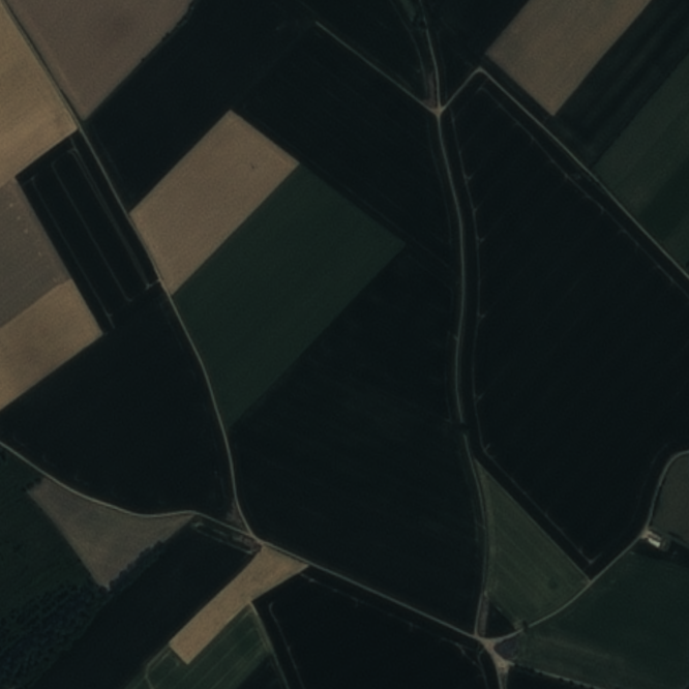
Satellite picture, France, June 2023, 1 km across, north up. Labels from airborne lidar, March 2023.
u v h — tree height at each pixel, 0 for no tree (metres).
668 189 0
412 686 0
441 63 0
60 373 0
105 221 0
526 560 0
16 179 0
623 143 0
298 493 0
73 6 0
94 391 0
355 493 0
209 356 0
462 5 0
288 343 0
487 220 0
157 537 0
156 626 0
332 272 0
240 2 0
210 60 0
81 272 0
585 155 0
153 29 0
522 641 0
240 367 0
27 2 0
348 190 0
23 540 0
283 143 0
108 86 0
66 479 0
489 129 0
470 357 0
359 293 0
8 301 0
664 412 0
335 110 0
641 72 0
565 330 0
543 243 0
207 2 0
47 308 0
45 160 0
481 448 0
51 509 0
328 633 0
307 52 0
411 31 0
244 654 0
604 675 0
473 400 0
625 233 0
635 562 0
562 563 0
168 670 0
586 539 0
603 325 0
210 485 0
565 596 0
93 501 0
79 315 0
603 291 0
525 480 0
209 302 0
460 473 0
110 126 0
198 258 0
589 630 0
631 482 0
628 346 0
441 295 0
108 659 0
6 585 0
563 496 0
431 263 0
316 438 0
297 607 0
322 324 0
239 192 0
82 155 0
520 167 0
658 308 0
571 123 0
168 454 0
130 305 0
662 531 0
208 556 0
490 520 0
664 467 0
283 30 0
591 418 0
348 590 0
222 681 0
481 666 0
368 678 0
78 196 0
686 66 0
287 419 0
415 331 0
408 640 0
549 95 0
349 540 0
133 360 0
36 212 0
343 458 0
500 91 0
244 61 0
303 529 0
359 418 0
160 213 0
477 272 0
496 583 0
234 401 0
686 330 0
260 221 0
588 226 0
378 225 0
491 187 0
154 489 0
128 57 0
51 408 0
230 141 0
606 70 0
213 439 0
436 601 0
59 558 0
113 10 0
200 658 0
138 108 0
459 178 0
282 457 0
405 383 0
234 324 0
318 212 0
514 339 0
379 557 0
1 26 0
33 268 0
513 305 0
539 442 0
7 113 0
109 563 0
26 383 0
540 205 0
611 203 0
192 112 0
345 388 0
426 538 0
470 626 0
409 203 0
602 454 0
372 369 0
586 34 0
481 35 0
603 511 0
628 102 0
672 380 0
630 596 0
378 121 0
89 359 0
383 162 0
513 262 0
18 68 0
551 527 0
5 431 0
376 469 0
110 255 0
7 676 20
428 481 0
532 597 0
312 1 0
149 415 0
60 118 0
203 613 0
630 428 0
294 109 0
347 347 0
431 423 0
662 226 0
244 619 0
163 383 0
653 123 0
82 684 0
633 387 0
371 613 0
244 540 0
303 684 0
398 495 0
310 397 0
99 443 0
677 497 0
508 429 0
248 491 0
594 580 0
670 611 0
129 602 0
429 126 0
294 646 0
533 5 0
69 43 0
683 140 0
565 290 0
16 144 0
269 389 0
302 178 0
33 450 0
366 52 0
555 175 0
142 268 0
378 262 0
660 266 0
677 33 0
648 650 0
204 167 0
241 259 0
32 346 0
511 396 0
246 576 0
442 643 0
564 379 0
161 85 0
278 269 0
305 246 0
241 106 0
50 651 18
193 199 0
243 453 0
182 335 0
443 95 0
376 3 0
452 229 0
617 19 0
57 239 0
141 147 0
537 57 0
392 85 0
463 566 0
